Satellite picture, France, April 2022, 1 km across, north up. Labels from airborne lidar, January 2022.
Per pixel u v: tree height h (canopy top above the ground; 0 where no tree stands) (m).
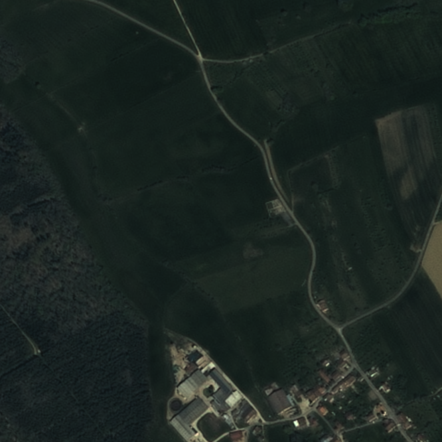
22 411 15
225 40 0
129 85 0
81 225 0
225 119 0
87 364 21
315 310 0
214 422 0
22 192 13
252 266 0
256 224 0
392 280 0
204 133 0
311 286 0
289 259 0
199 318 0
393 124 0
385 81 0
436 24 0
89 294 21
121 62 0
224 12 0
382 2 0
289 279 0
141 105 0
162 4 0
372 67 0
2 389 14
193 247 0
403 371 0
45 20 0
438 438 0
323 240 0
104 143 0
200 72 0
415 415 0
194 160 0
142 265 0
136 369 19
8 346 17
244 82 0
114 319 19
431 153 0
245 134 0
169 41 0
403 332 0
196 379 0
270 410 0
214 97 0
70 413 14
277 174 0
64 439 15
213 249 0
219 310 0
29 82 0
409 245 0
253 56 0
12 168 15
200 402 0
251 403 0
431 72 0
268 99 0
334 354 0
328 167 0
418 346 0
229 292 0
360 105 0
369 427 0
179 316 0
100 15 0
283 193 0
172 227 0
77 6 0
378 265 0
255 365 0
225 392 0
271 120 0
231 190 0
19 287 18
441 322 0
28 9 0
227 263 0
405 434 0
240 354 0
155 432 0
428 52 0
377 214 0
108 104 0
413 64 0
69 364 14
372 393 0
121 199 0
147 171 0
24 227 20
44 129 0
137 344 17
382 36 0
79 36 0
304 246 0
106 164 0
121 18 0
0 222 0
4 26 0
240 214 0
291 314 0
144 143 0
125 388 18
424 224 0
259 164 0
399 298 0
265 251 0
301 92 0
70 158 0
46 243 22
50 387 12
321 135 0
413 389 0
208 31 0
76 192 0
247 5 0
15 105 0
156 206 0
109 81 0
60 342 14
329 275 0
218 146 0
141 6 0
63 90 0
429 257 0
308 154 0
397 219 0
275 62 0
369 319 0
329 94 18
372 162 0
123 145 0
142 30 0
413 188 0
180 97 0
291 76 0
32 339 13
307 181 0
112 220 0
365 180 0
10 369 11
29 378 14
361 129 0
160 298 0
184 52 0
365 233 0
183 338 0
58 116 0
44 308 14
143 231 0
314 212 0
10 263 21
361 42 0
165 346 0
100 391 20
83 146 0
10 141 22
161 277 0
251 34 0
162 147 0
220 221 0
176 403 0
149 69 0
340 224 0
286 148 0
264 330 0
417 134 0
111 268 0
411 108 0
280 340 0
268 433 0
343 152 0
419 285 0
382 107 0
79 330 21
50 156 0
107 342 20
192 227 0
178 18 0
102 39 0
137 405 16
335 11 0
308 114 0
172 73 0
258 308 0
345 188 0
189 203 0
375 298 0
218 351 0
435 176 0
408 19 13
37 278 21
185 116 0
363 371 0
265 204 0
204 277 0
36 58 0
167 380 0
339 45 0
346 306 0
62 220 21
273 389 0
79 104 0
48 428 11
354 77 0
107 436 14
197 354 0
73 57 0
